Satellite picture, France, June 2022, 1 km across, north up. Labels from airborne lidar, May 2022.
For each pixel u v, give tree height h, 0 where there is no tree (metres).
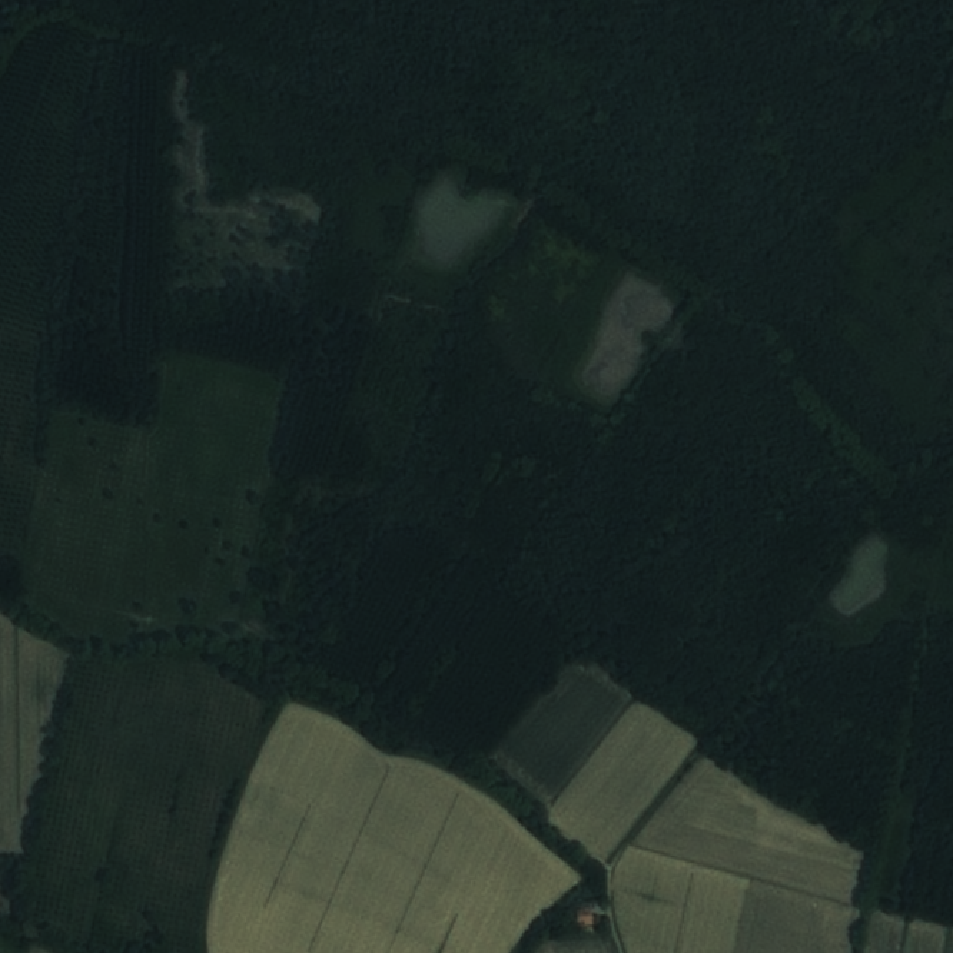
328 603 21
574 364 0
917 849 12
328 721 0
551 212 14
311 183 11
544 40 11
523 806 17
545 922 9
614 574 22
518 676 22
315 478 14
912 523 10
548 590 26
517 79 10
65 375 25
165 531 0
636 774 0
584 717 0
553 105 10
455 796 0
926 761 10
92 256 8
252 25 16
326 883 0
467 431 13
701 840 0
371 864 0
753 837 0
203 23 16
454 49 10
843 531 17
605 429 15
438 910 0
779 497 8
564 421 10
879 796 18
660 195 17
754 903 0
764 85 9
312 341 17
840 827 18
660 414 10
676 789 0
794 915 0
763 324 14
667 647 22
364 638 21
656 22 18
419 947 0
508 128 17
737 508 22
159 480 0
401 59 19
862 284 0
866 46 16
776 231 18
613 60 12
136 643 26
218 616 0
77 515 0
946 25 21
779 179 12
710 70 10
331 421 22
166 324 16
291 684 18
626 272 0
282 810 0
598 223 21
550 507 10
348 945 0
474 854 0
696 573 20
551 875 0
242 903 0
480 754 18
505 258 10
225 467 0
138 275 23
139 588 0
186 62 15
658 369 9
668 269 21
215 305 14
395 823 0
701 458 14
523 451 13
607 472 22
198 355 25
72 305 22
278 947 0
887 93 8
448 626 24
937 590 0
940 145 0
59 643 16
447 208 0
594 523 19
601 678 0
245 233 22
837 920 0
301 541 10
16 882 32
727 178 17
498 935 0
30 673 0
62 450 0
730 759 15
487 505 13
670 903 0
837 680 16
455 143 26
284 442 25
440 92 14
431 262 0
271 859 0
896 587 0
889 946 0
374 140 10
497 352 8
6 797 0
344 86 27
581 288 0
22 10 27
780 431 15
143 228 25
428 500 12
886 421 9
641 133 19
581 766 0
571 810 0
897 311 0
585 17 15
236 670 13
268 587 19
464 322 15
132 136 22
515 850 0
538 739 0
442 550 11
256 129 10
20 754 0
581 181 15
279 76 17
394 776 0
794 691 20
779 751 16
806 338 9
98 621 0
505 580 19
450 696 28
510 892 0
